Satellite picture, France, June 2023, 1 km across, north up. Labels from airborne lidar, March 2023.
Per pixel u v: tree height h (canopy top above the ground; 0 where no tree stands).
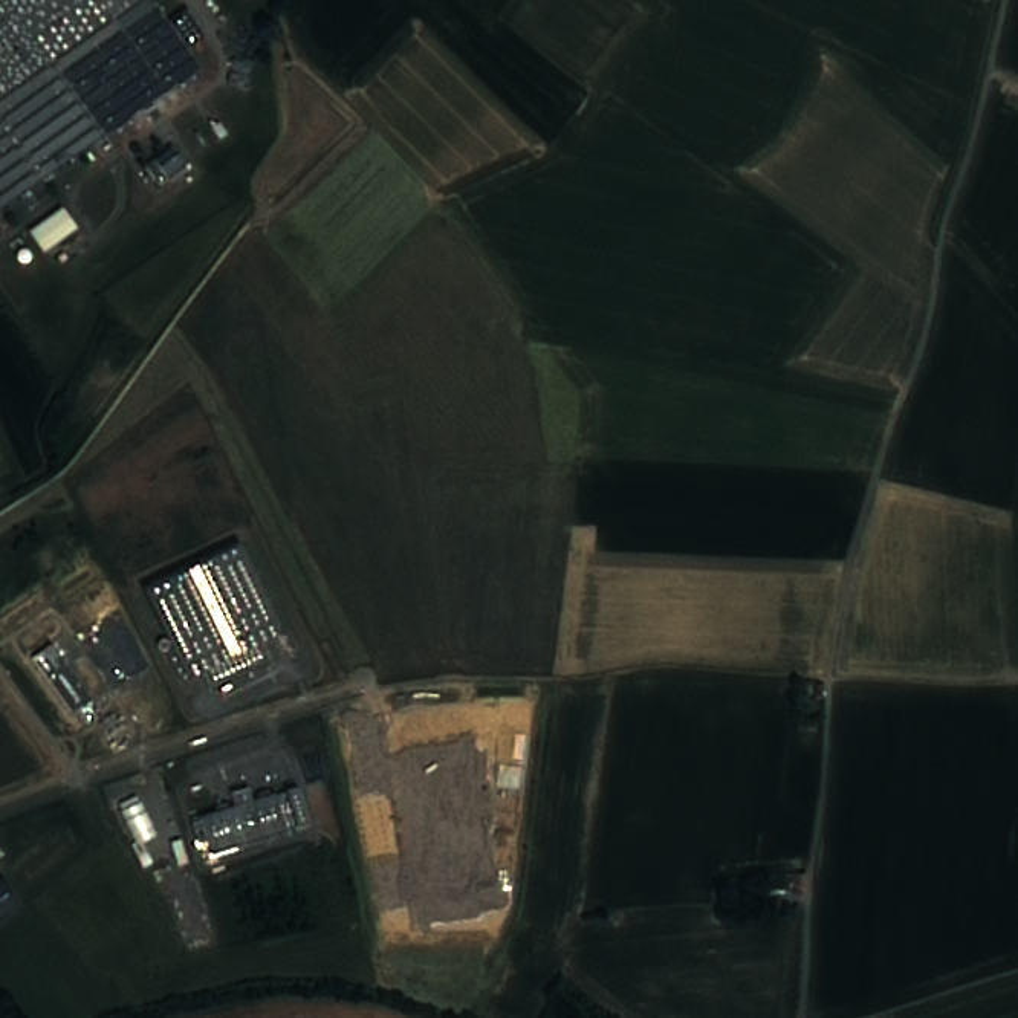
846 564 0
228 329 0
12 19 0
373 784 0
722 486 0
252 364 0
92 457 0
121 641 0
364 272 0
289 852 0
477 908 0
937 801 0
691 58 0
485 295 0
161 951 0
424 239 0
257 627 0
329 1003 0
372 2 0
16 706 0
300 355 0
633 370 0
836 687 0
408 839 0
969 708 0
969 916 0
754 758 0
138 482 0
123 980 0
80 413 0
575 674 0
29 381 0
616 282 0
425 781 0
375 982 0
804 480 0
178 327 0
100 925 0
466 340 0
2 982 0
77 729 0
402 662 0
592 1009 7
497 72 0
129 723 0
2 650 0
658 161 0
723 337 0
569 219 0
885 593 0
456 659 0
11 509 0
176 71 0
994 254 0
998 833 0
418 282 0
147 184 0
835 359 0
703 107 0
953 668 0
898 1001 0
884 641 0
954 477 0
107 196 0
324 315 0
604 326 0
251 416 0
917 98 0
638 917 0
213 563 0
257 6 0
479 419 0
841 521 0
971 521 0
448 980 0
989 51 0
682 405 0
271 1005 0
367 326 0
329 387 0
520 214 0
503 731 0
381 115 0
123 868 0
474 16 0
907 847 0
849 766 0
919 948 0
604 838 0
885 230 0
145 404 0
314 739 0
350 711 0
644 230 0
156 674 0
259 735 0
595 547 0
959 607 0
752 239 0
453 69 0
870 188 0
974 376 0
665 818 0
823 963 0
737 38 0
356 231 0
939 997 0
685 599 0
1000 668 0
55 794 0
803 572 0
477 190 0
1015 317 0
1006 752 0
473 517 0
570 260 0
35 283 0
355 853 0
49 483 0
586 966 0
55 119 0
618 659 0
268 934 6
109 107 0
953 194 0
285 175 0
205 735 0
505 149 0
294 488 0
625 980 0
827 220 0
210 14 0
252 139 0
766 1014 0
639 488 0
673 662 0
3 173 0
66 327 0
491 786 0
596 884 0
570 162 0
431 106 0
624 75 0
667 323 0
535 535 0
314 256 0
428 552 0
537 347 0
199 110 0
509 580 0
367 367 0
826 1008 0
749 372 0
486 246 0
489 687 0
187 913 0
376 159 0
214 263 0
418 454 0
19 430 0
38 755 0
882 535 0
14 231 0
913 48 0
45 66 0
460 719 0
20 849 0
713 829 0
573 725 0
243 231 0
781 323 0
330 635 0
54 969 0
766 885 17
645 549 0
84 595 0
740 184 0
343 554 0
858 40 0
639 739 0
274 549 0
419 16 0
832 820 0
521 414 0
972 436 0
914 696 0
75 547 0
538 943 0
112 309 0
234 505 0
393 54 0
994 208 0
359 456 0
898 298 0
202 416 0
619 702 0
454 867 0
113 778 0
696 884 0
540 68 0
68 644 0
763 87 0
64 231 0
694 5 0
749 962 0
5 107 0
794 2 0
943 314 0
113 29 0
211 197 0
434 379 0
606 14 0
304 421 0
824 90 0
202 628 0
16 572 0
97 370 0
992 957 0
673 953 0
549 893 0
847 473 0
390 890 0
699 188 0
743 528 0
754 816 0
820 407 0
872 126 0
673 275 0
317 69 0
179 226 0
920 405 0
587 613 0
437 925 0
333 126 0
